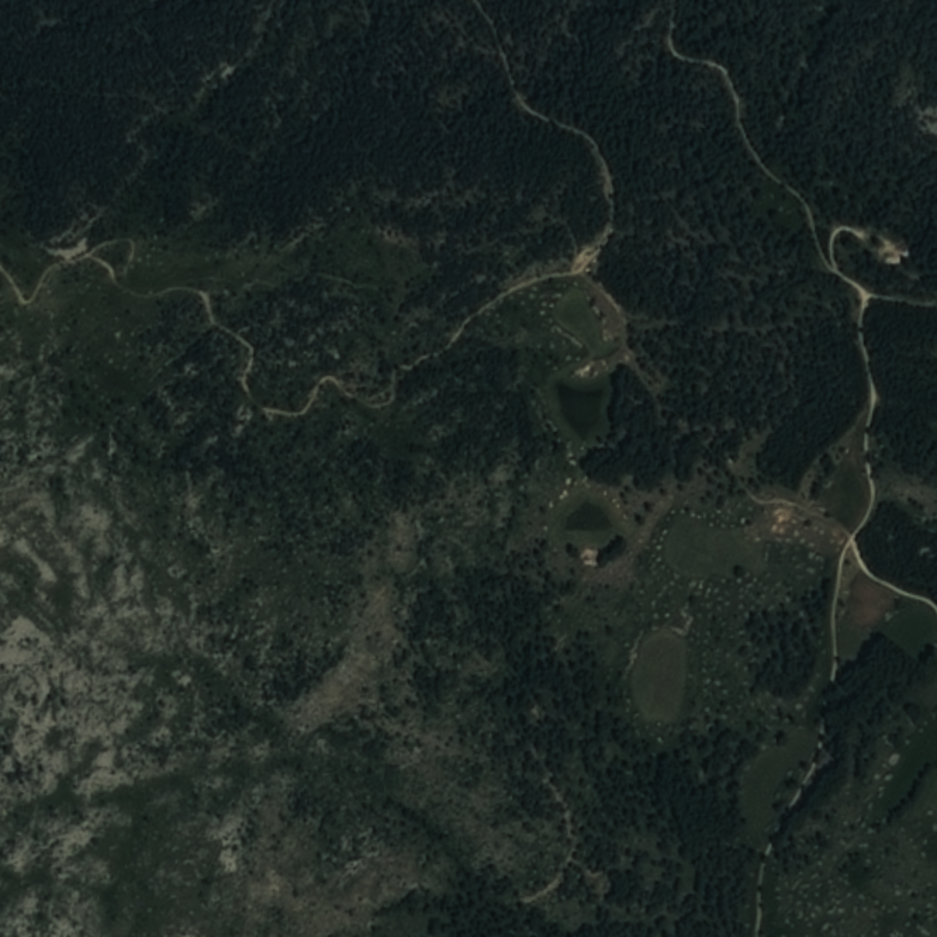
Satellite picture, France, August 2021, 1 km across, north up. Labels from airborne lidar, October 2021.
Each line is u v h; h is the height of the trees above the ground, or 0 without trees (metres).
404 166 7
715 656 0
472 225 6
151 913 0
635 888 15
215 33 9
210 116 7
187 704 0
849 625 0
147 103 9
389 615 0
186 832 0
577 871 7
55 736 0
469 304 9
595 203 6
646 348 10
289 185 6
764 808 0
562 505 0
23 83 12
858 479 0
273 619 0
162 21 8
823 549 0
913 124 9
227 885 0
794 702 0
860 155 16
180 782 0
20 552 0
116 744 0
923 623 0
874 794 0
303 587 0
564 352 0
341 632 0
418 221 6
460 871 6
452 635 10
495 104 16
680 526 0
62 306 0
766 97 16
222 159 6
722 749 18
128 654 0
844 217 14
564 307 0
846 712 23
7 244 0
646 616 0
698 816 25
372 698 0
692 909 10
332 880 0
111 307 0
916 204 15
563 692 22
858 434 0
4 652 0
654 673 0
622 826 9
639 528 0
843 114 8
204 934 0
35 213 8
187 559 0
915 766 0
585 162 7
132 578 0
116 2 10
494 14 9
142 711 0
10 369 0
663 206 17
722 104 12
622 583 0
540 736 13
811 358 14
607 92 12
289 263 0
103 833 0
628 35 12
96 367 0
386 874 0
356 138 7
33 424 0
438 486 8
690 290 13
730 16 10
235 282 0
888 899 0
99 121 8
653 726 0
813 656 21
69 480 0
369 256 0
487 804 0
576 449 0
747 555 0
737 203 18
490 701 7
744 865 19
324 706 0
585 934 19
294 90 7
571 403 0
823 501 0
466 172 6
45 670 0
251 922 0
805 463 8
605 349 0
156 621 0
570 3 11
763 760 0
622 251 8
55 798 0
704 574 0
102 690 0
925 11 10
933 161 10
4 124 7
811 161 15
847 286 11
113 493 0
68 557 0
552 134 10
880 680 30
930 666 12
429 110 15
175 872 0
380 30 13
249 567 0
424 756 0
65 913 0
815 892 0
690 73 14
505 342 0
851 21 8
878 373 9
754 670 12
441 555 0
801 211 5
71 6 6
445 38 8
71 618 0
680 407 13
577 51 15
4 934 0
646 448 22
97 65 7
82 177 7
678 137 12
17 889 0
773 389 12
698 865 17
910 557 9
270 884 0
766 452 9
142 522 0
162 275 0
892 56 11
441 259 7
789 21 12
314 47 6
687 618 0
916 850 0
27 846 0
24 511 0
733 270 25
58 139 6
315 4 10
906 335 9
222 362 7
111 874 0
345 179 6
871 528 9
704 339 13
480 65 7
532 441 6
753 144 10
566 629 0
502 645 7
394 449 0
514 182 6
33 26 7
